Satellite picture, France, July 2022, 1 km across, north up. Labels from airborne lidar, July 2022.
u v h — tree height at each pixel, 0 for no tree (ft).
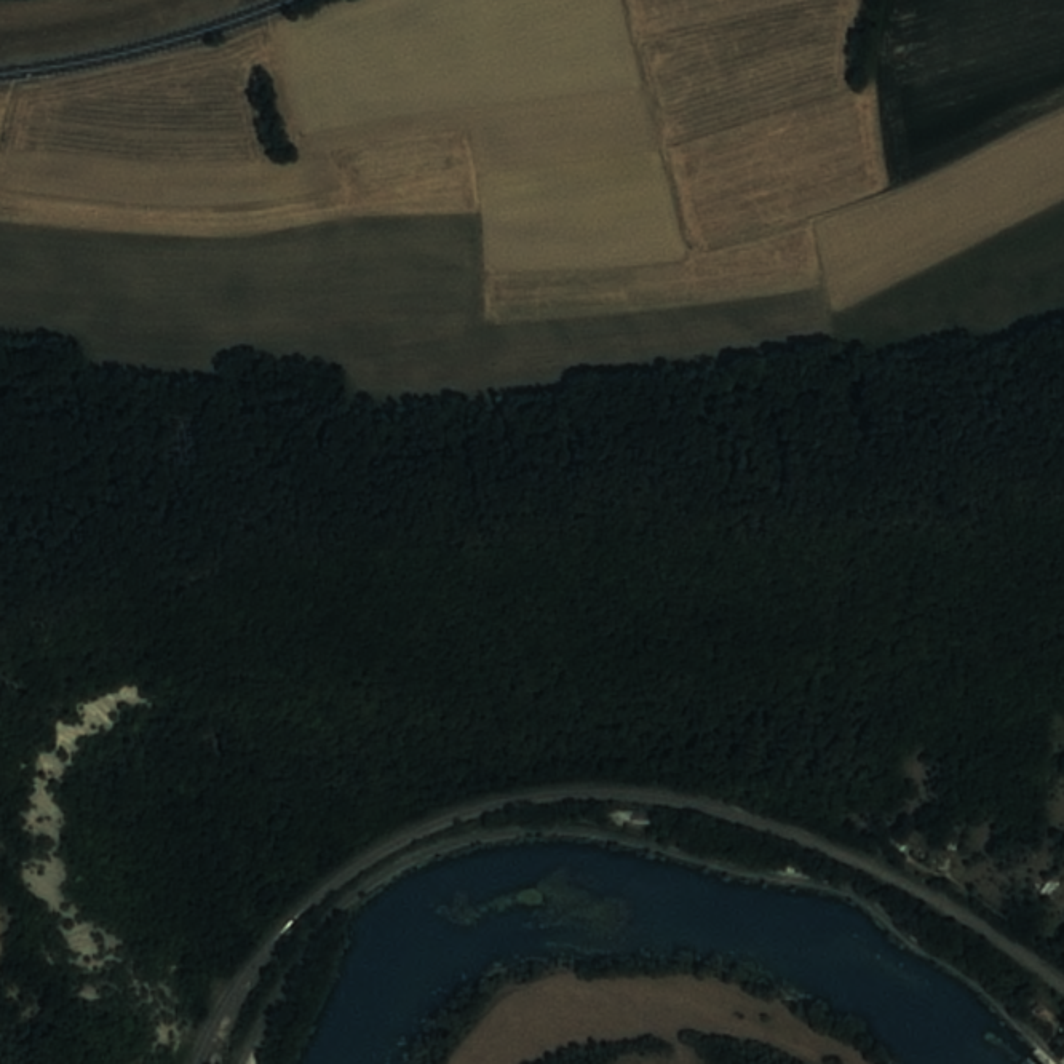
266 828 35
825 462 76
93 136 0
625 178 0
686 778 64
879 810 60
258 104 57
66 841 51
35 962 53
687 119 0
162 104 0
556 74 0
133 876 50
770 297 0
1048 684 75
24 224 0
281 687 54
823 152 0
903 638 52
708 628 80
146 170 0
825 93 0
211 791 89
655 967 43
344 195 0
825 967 0
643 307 0
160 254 0
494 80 0
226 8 0
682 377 71
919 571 60
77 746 19
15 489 94
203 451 82
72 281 0
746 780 41
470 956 0
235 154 0
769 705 71
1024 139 0
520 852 0
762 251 0
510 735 76
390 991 0
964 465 76
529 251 0
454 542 47
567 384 50
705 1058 23
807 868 56
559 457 96
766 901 0
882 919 0
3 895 63
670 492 67
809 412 81
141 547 83
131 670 68
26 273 0
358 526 79
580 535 50
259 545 69
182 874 53
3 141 0
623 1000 0
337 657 68
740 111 0
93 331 0
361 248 0
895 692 69
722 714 60
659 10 0
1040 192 0
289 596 65
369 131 0
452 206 0
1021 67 0
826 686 59
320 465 86
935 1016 0
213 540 77
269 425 66
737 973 41
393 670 54
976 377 87
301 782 80
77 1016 42
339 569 58
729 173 0
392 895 0
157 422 68
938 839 59
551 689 43
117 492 73
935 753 41
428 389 0
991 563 55
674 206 0
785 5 0
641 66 0
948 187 0
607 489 64
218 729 73
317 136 0
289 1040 42
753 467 53
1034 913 60
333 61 0
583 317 0
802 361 89
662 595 58
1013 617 76
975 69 0
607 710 66
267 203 0
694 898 0
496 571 59
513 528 64
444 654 63
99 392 79
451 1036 63
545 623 72
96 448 104
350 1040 0
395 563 54
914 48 0
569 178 0
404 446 85
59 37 0
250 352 56
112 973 23
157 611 64
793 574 51
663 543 47
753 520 55
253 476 81
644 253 0
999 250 0
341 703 43
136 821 69
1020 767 63
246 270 0
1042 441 68
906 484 70
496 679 74
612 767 53
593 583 65
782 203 0
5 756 72
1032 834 41
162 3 0
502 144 0
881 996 0
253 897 47
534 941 0
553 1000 0
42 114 0
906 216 0
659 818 52
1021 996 57
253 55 0
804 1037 0
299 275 0
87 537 92
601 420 103
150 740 60
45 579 79
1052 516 38
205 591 61
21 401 90
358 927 0
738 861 61
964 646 72
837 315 0
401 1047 0
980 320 0
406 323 0
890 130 0
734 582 50
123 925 31
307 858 42
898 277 0
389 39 0
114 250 0
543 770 67
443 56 0
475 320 0
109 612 80
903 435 90
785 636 72
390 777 64
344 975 0
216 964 42
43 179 0
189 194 0
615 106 0
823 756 63
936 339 36
